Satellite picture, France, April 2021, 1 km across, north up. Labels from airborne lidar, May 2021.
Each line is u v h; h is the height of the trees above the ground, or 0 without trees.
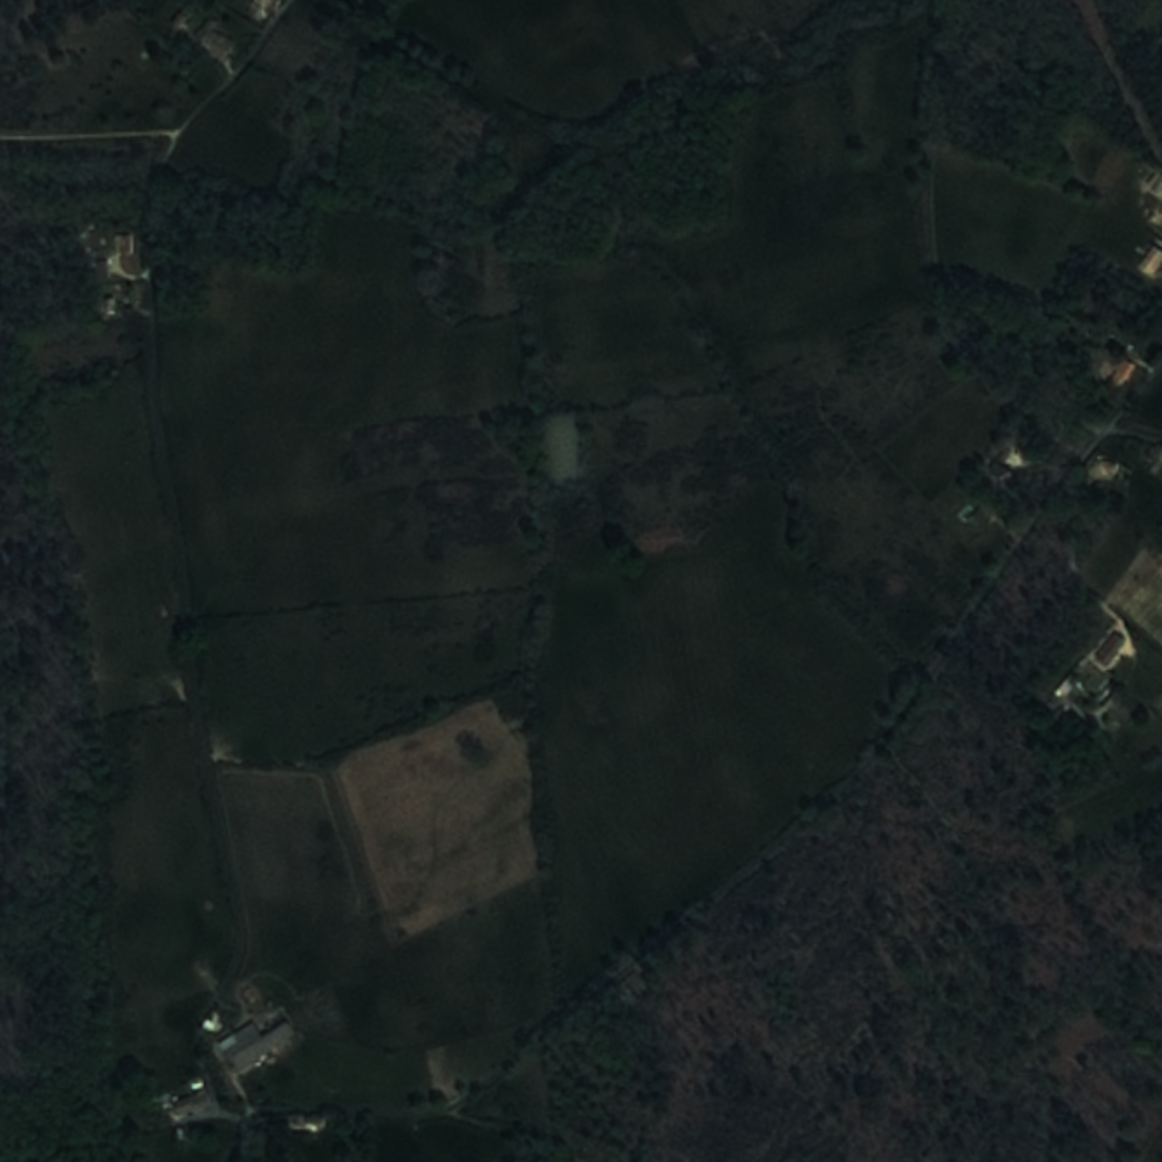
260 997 0
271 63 0
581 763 0
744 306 0
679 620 0
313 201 22
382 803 0
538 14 0
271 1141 15
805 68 17
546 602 11
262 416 0
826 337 0
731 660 0
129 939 0
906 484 0
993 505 15
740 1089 21
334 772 0
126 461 0
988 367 25
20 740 21
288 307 0
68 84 0
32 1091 19
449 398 0
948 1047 25
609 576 0
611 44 0
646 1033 21
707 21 0
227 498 0
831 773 0
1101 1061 19
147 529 0
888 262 0
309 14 0
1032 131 22
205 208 20
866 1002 7
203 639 16
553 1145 16
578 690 0
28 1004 15
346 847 0
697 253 0
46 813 12
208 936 0
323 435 0
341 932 0
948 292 21
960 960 20
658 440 0
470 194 20
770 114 0
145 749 0
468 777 0
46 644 18
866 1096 23
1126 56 21
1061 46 23
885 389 0
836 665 0
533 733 12
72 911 20
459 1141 0
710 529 0
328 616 0
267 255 25
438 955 0
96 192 22
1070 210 0
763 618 0
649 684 0
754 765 0
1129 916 10
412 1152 0
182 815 0
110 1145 16
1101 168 0
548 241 21
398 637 0
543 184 16
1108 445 0
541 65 0
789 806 0
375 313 0
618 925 0
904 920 15
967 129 20
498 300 0
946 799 10
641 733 0
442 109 7
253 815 0
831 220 0
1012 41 23
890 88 0
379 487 0
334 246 0
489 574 0
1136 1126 17
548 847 8
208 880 0
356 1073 0
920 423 0
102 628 0
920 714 10
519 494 0
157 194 22
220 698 0
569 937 0
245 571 0
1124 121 23
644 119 28
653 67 0
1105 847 16
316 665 0
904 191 0
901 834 11
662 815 0
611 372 0
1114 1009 22
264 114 0
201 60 17
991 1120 23
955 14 22
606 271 0
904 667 7
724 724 0
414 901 0
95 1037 20
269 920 0
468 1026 0
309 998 0
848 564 0
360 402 0
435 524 0
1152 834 25
